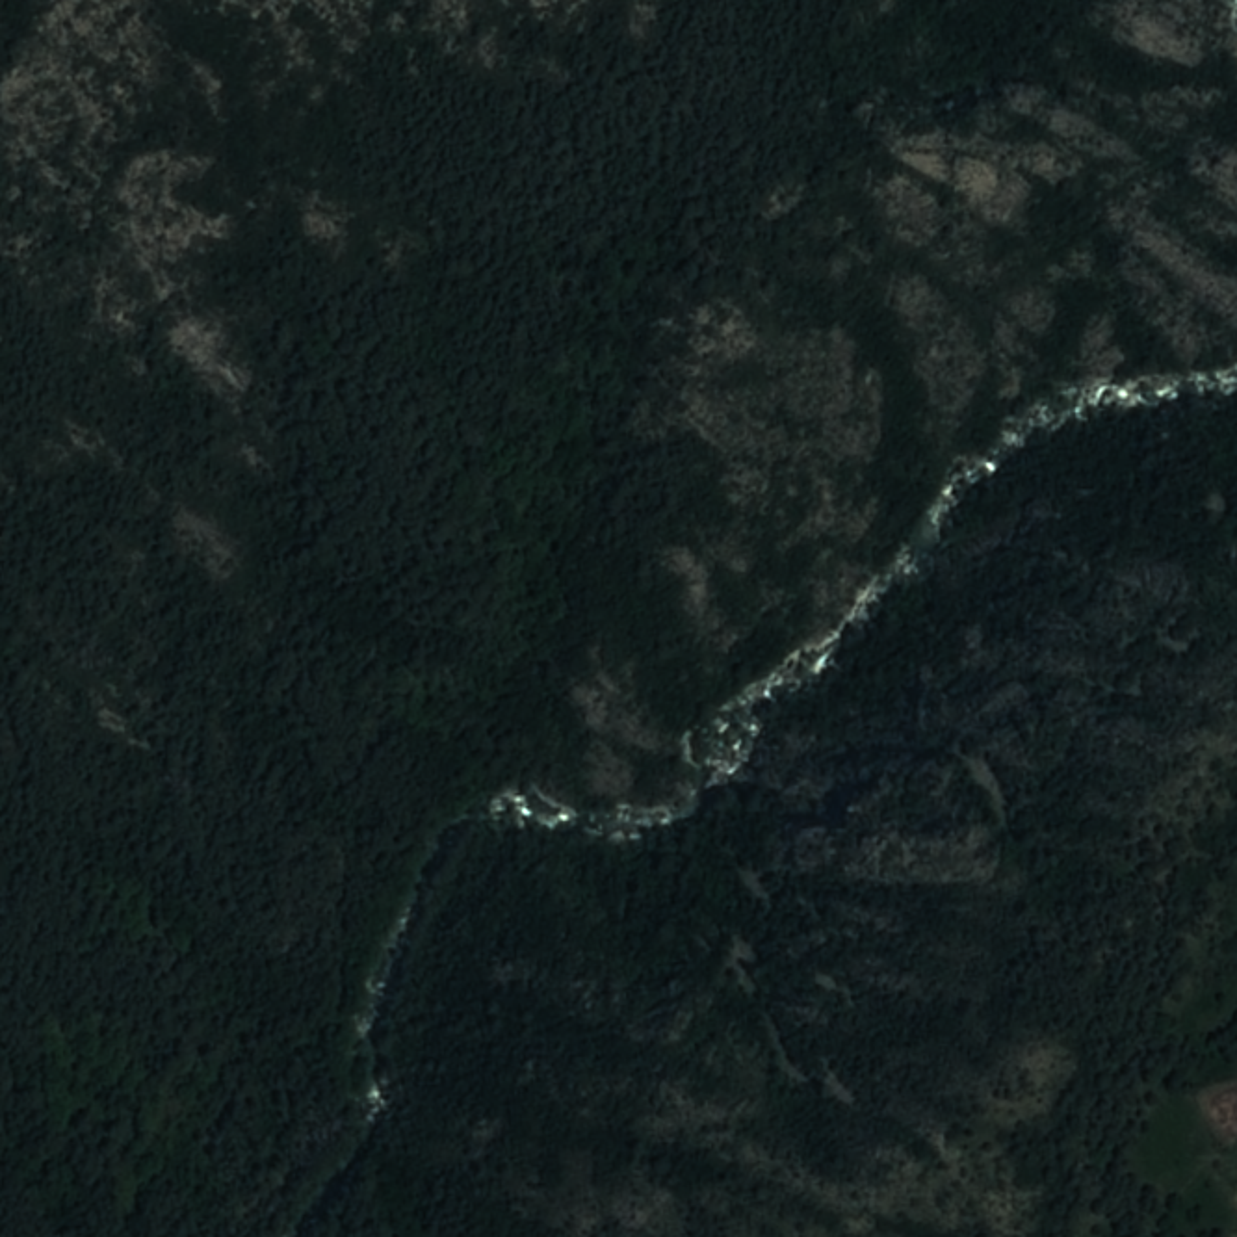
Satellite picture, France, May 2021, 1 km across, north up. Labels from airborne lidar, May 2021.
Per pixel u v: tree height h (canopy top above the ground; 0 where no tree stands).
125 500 20
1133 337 14
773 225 17
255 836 18
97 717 7
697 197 12
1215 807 12
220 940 21
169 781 19
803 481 10
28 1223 24
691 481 16
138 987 22
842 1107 9
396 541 24
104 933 10
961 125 7
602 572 10
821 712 11
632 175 21
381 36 6
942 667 6
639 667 9
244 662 10
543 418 14
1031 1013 6
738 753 0
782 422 8
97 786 20
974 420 13
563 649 13
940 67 10
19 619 12
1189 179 10
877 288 9
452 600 24
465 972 10
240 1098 21
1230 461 11
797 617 11
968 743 10
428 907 15
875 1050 7
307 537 17
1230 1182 0
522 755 12
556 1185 5
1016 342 6
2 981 24
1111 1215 20
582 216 17
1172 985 18
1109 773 7
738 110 17
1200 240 9
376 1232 35
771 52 19
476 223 7
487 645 22
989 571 6
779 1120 7
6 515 14
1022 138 6
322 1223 30
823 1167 7
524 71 16
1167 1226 13
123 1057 16
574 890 8
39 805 23
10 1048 24
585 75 11
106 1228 26
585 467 19
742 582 6
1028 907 17
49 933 23
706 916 12
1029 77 13
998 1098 9
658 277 21
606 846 12
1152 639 8
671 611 12
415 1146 10
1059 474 10
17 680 28
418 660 29
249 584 6
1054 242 12
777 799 14
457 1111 9
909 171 8
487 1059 10
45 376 20
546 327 22
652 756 7
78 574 18
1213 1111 0
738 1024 6
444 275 8
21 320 15
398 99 15
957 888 7
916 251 6
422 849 12
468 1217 14
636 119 21
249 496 12
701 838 16
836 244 9
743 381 6
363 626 15
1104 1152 19
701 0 17
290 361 16
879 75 14
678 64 21
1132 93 6
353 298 17
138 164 0
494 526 18
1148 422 8
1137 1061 21
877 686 10
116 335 9
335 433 25
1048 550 7
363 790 24
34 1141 18
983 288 8
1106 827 7
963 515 18
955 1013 6
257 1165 11
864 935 9
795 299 12
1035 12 21
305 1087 21
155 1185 19
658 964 12
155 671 8
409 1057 12
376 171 14
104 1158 23
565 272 20
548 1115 7
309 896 23
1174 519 12
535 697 16
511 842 8
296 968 19
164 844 21
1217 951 14
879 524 12
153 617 11
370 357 14
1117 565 8
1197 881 7
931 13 14
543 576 23
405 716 24
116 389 6
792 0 17
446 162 18
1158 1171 0
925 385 8
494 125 16
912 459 22
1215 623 7
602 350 17
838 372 7
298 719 26
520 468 21
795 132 11
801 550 12
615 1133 9
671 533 10
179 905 16
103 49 0
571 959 6
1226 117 7
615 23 14
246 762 11
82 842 12
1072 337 15
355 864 7
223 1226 9
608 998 6
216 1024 16
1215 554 8
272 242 13
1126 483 12
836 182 21
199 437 6
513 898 10
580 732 6
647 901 14
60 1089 22
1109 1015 18
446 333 9
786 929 6
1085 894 10
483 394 6
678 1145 7
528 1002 10
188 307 11
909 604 11
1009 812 11
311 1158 26
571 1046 7
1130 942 17
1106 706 7
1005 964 7
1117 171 6
